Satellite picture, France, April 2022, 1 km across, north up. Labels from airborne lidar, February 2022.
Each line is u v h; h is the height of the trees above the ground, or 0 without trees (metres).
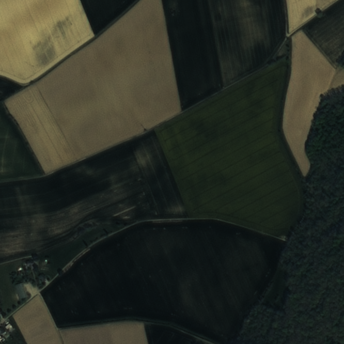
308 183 28
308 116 0
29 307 0
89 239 0
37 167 0
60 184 0
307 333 33
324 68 0
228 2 0
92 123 0
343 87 0
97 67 0
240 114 0
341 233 36
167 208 0
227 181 0
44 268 0
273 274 0
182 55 0
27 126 0
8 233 0
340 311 37
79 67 0
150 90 0
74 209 0
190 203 0
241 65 0
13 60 0
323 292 37
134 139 0
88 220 0
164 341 0
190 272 0
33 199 0
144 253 0
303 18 0
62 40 0
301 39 0
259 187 0
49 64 0
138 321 9
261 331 24
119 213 0
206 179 0
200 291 0
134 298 0
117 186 0
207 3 0
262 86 0
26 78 0
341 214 22
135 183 0
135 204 0
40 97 0
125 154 0
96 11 0
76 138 0
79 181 0
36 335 0
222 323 0
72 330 0
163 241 0
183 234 0
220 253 0
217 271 0
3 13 0
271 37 0
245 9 0
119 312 0
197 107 0
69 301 0
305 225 23
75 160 0
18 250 0
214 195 0
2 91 0
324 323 38
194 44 0
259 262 0
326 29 0
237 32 0
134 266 0
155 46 0
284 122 0
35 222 0
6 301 0
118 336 0
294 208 0
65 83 0
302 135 0
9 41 0
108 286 0
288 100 0
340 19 0
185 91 0
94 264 0
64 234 0
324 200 35
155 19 0
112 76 0
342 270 36
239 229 0
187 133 0
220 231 0
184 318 0
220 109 0
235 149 0
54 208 0
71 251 0
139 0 0
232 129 0
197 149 0
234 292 0
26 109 0
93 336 0
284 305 26
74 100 0
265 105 0
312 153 21
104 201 0
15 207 0
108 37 0
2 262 0
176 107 0
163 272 0
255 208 0
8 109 7
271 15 0
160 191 0
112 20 0
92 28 0
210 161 0
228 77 0
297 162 0
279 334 32
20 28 0
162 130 0
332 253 33
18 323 0
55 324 0
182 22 0
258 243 0
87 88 0
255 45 0
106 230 0
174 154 0
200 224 0
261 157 0
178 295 0
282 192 0
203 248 0
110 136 0
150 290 0
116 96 0
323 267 37
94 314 0
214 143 0
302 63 0
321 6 0
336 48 0
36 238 0
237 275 0
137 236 0
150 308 0
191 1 0
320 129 18
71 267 0
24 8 0
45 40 0
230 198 0
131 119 0
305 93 0
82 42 0
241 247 0
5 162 0
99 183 0
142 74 0
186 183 0
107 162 0
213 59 0
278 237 0
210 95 0
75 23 0
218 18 0
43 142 0
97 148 0
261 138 0
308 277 35
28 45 0
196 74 0
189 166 0
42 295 0
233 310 0
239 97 0
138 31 0
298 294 30
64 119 0
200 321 0
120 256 0
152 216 0
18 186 0
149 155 0
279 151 0
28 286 0
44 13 0
